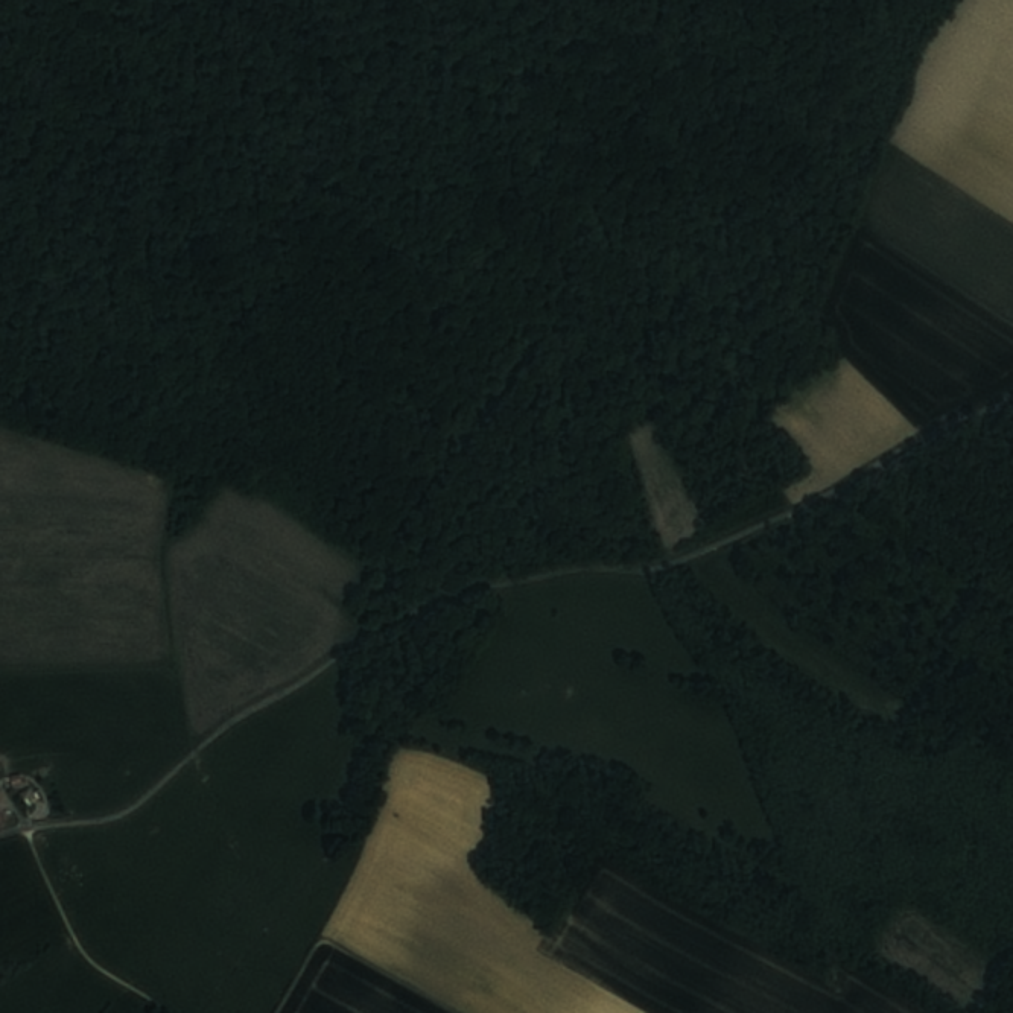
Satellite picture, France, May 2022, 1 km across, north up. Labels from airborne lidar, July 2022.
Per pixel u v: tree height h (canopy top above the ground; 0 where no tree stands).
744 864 23
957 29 0
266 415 26
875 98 23
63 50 27
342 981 0
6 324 12
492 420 22
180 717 0
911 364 0
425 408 20
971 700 31
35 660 0
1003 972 26
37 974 0
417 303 26
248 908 0
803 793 22
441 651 31
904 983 19
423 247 27
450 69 15
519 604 0
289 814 0
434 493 30
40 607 0
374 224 24
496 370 27
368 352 30
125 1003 0
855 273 0
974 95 0
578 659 0
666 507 0
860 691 0
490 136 25
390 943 0
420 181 24
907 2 26
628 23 26
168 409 27
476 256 27
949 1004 25
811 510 21
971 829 24
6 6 28
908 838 22
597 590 0
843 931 24
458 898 0
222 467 25
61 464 0
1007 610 24
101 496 0
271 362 27
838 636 6
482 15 21
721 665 21
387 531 22
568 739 0
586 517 25
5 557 0
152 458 24
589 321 31
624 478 26
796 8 27
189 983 0
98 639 0
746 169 31
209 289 22
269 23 25
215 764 0
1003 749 29
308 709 0
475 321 25
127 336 23
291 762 0
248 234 27
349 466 29
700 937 0
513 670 0
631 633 0
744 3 28
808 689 22
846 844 24
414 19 27
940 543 18
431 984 0
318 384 24
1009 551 27
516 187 25
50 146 20
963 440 24
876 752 25
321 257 29
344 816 18
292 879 0
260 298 23
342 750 0
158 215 27
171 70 21
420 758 0
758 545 0
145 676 0
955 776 23
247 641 0
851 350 0
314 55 24
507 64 22
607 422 31
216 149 24
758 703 20
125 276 24
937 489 24
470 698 0
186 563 0
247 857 0
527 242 26
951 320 0
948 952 0
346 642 0
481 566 23
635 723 0
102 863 0
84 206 26
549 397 30
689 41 22
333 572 0
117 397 26
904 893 25
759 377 33
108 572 0
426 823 0
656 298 34
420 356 27
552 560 29
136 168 24
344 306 27
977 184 0
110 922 0
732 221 27
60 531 0
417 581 31
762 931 22
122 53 23
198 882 0
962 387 0
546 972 0
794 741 22
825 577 22
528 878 29
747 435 9
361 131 19
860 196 23
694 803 0
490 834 20
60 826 0
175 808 0
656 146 31
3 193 27
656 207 22
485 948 0
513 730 0
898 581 25
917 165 0
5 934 0
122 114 21
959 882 28
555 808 22
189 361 26
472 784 0
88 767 0
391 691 30
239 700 0
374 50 19
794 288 26
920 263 0
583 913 0
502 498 26
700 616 23
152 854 0
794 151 27
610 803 23
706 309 17
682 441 27
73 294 25
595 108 27
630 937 0
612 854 19
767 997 0
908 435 0
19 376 23
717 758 0
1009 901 27
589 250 26
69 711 0
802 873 23
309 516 7
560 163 27
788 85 27
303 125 12
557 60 25
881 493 19
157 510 0
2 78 24
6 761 0
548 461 32
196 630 0
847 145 26
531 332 30
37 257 18
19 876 0
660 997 0
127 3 27
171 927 0
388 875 0
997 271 0
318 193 26
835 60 24
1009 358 0
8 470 0
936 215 0
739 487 26
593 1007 0
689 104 27
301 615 0
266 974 0
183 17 30
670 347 30
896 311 0
